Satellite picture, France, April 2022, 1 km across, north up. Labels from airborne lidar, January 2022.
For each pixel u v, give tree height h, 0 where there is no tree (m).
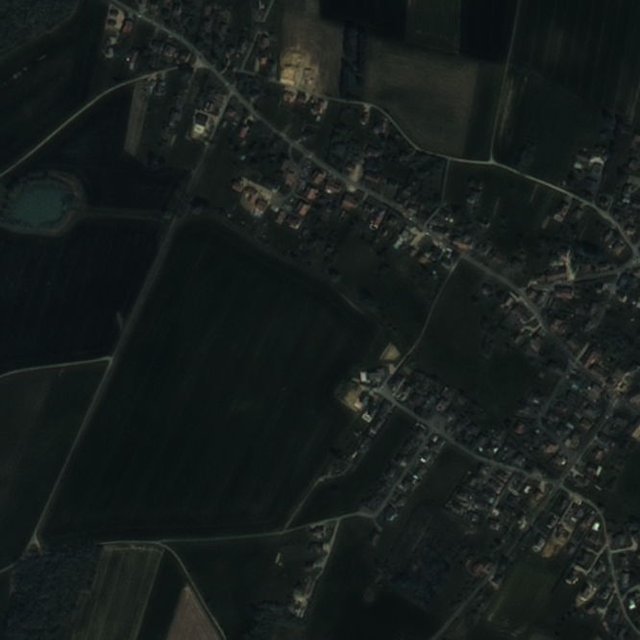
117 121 0
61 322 0
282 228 0
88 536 0
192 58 0
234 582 0
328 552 0
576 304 13
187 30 16
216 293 0
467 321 0
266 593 0
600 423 0
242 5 0
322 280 0
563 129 0
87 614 0
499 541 6
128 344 0
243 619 0
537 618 0
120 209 0
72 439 0
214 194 0
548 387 0
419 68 0
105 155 0
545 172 0
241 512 0
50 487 0
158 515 0
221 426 0
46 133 0
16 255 0
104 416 0
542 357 7
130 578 0
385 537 0
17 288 0
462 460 0
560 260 0
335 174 0
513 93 0
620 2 0
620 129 14
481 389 0
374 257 0
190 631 0
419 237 0
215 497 0
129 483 0
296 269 0
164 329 0
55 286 0
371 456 0
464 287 0
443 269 0
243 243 0
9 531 0
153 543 0
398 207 0
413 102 0
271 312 0
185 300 0
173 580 0
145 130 0
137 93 0
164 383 0
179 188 10
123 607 0
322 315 0
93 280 0
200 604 0
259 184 0
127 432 0
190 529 0
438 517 0
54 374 0
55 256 0
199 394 0
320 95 0
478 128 0
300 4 0
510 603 0
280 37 0
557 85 0
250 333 0
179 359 0
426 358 0
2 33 16
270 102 0
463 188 0
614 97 0
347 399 0
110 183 0
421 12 0
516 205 0
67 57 0
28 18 17
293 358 0
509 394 0
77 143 0
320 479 0
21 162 0
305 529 0
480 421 0
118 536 0
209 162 0
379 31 0
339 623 0
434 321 0
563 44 0
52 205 0
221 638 0
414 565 0
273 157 6
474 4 0
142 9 0
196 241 0
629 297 0
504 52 0
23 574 8
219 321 0
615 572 0
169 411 0
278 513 0
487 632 0
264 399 0
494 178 0
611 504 0
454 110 0
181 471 0
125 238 0
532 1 0
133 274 0
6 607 0
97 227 0
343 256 0
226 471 0
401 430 0
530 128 0
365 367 0
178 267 0
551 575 0
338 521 0
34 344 0
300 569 0
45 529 0
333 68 0
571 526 0
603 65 0
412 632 0
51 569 19
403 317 0
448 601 0
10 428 0
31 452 0
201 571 0
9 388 0
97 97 0
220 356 0
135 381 0
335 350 0
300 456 0
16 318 0
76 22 0
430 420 0
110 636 0
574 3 0
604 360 0
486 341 6
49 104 0
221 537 0
